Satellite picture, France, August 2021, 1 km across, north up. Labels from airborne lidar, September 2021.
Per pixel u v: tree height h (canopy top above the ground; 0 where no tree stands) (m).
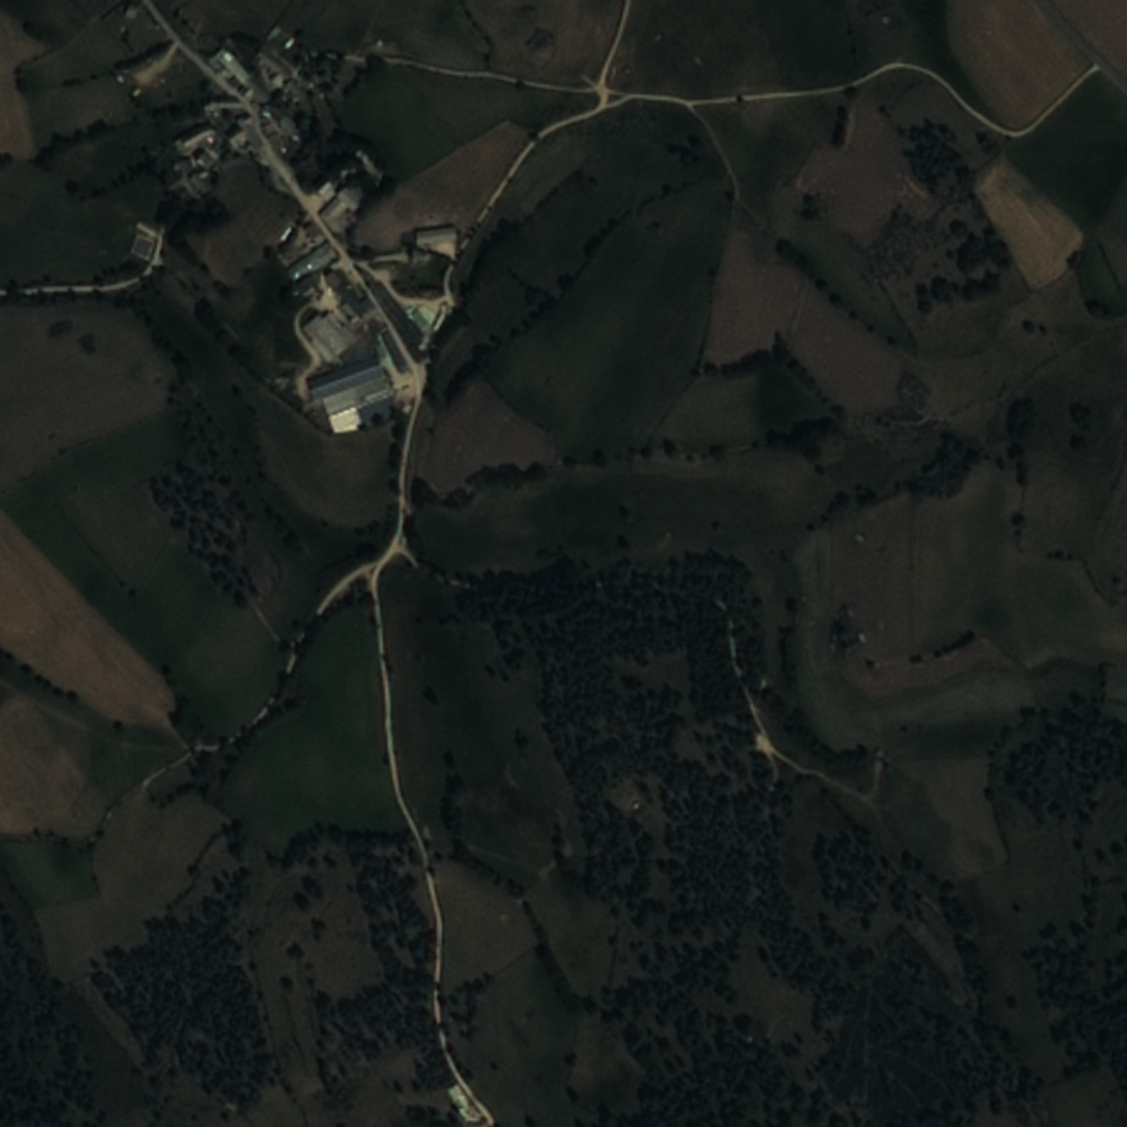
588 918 0
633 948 7
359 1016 16
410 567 7
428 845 7
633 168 0
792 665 10
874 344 0
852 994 16
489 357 14
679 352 0
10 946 10
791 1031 0
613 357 0
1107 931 0
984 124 0
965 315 0
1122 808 0
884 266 0
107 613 0
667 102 0
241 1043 19
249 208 0
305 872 0
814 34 0
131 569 0
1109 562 0
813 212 9
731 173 0
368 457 0
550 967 14
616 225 6
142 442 0
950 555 0
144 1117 0
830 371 0
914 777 0
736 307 0
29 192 0
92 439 0
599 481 0
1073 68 0
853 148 0
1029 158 0
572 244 0
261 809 0
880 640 0
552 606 27
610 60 0
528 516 0
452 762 15
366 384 0
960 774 0
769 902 16
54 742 0
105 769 0
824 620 0
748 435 0
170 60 0
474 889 0
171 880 0
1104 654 0
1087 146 0
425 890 0
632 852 12
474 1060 0
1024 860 0
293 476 0
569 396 0
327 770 0
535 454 0
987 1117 0
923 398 0
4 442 0
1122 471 0
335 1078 8
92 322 0
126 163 0
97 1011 0
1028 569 0
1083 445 14
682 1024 12
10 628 0
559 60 0
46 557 0
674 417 0
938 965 0
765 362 17
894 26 0
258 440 0
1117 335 0
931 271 0
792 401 0
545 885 0
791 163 0
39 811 0
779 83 0
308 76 9
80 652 0
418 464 0
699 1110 15
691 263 0
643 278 0
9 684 0
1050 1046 0
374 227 0
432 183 0
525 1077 0
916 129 6
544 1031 0
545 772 0
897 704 0
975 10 0
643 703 17
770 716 0
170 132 0
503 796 0
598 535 0
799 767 0
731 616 9
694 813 18
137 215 0
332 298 0
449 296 0
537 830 0
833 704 0
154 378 0
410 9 0
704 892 16
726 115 0
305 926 0
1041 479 0
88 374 0
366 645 0
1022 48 0
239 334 0
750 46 0
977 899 0
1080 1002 18
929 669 0
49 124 0
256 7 0
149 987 15
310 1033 0
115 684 0
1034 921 0
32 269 0
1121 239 0
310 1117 0
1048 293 0
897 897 9
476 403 0
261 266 0
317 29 0
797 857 0
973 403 0
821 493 0
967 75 0
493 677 13
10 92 0
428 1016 16
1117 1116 0
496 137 0
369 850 15
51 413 0
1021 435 18
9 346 0
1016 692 0
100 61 0
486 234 0
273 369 0
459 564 0
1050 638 0
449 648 0
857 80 0
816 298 0
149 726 0
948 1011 0
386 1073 0
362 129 0
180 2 0
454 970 0
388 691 0
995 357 0
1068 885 0
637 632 18
